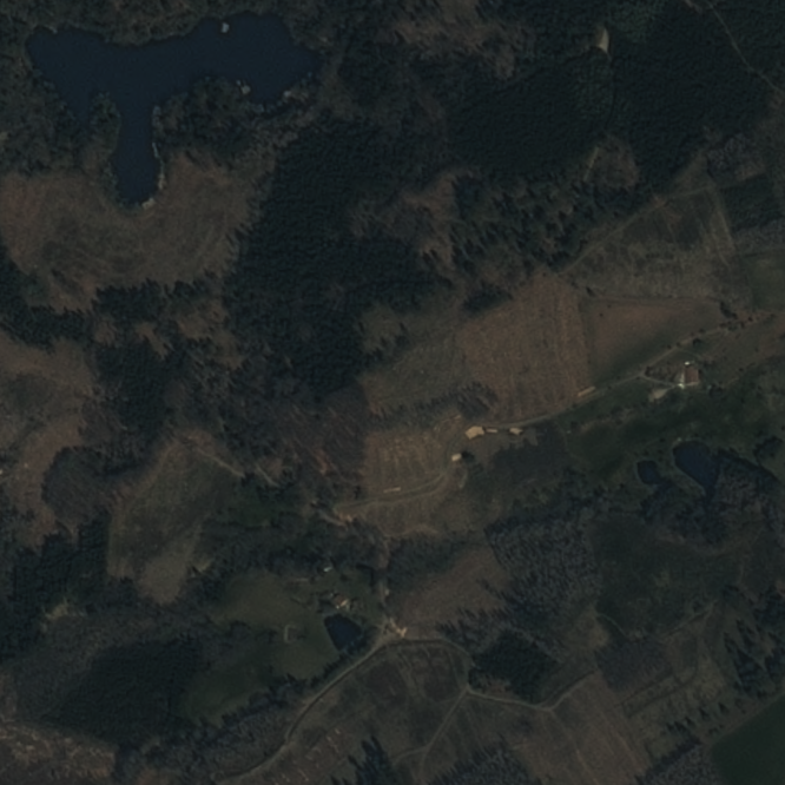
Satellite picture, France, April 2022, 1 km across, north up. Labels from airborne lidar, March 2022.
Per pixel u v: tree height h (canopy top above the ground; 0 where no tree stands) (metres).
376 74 17
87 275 0
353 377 27
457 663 0
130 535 0
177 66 0
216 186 0
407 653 0
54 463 0
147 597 19
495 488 0
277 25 0
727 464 24
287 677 0
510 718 0
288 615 0
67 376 0
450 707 0
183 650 9
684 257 0
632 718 0
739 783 0
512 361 0
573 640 0
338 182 19
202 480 0
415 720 0
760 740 0
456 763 0
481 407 32
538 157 17
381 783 30
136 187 0
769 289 0
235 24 0
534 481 0
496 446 0
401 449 0
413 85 11
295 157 14
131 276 0
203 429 32
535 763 0
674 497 25
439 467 0
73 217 0
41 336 19
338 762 0
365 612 0
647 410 9
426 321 0
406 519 0
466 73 16
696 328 0
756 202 6
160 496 0
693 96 18
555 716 0
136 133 0
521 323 0
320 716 0
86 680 7
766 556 0
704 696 0
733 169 21
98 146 24
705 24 13
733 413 0
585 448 0
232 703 0
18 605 20
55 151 21
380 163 21
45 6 14
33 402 0
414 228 19
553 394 0
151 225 0
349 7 27
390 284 19
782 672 17
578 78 10
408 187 15
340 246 9
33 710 9
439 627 0
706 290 0
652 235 0
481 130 14
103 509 32
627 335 0
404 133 13
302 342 20
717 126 16
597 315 0
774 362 0
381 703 0
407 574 21
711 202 0
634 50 14
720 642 0
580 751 0
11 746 0
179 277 0
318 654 0
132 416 18
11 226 0
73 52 0
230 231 0
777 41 10
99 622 10
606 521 26
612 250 0
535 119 17
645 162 14
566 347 0
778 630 18
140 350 16
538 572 28
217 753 28
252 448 16
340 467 27
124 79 0
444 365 0
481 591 0
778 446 11
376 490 0
